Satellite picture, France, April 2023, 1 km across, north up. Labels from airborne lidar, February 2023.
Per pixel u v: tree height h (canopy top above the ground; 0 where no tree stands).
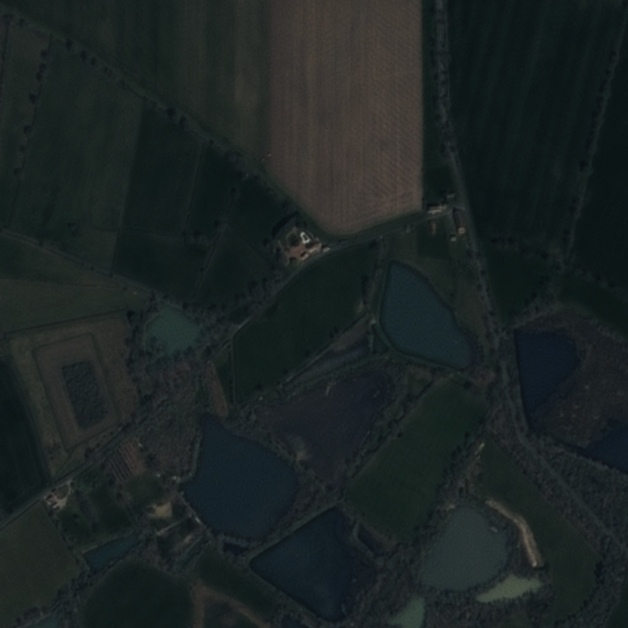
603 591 11
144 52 0
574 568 0
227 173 0
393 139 0
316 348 0
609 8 0
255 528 0
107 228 0
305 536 0
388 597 13
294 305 0
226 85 0
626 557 17
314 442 0
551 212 0
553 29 0
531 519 0
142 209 0
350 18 0
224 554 11
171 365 19
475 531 0
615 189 0
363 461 15
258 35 0
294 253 0
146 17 0
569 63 0
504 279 0
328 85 0
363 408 0
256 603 0
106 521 0
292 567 0
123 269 0
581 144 0
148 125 0
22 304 0
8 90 0
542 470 12
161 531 0
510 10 0
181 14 0
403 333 0
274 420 0
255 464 0
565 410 0
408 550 14
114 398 0
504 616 15
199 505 0
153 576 0
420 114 0
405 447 0
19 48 0
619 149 0
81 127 0
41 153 0
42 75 11
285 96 0
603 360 0
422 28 0
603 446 0
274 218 0
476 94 0
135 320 15
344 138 0
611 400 0
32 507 0
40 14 0
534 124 0
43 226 0
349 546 0
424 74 0
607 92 14
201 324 16
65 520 0
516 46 0
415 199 0
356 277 0
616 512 14
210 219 0
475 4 0
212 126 0
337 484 0
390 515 0
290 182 0
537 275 0
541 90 0
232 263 0
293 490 0
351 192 0
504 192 0
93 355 0
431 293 0
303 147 0
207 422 0
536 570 8
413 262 0
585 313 0
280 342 0
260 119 0
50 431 0
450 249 0
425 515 0
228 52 0
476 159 0
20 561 0
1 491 0
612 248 0
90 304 0
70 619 19
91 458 18
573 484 12
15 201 0
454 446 0
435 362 0
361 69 0
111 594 0
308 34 0
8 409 0
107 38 0
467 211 0
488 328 15
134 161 0
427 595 14
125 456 6
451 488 7
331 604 0
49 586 0
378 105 0
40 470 0
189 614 0
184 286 0
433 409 0
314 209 0
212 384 10
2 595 0
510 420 15
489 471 0
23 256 0
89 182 0
